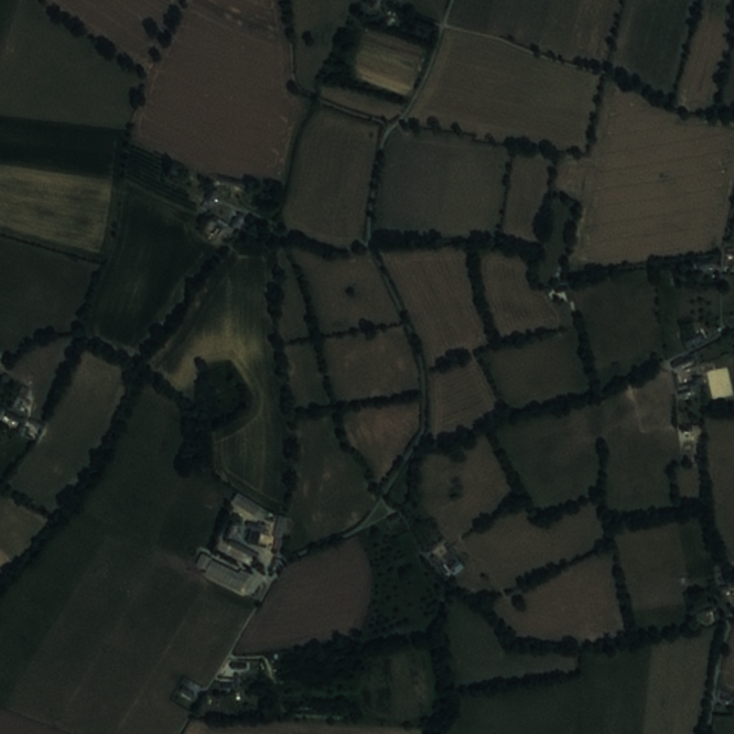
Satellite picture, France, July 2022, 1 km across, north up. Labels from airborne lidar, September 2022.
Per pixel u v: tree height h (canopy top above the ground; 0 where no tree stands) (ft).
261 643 0
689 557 0
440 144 0
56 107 0
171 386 40
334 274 0
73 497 74
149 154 22
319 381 0
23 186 0
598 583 0
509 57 0
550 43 0
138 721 0
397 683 0
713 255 31
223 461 0
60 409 0
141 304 0
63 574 0
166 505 0
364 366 0
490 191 0
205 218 32
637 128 0
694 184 0
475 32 0
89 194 0
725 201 0
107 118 0
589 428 0
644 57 0
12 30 0
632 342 0
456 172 0
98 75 0
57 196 0
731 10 47
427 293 0
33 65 0
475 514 0
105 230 0
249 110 0
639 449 0
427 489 0
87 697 0
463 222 0
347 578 0
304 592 0
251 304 0
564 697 0
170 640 0
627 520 67
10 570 63
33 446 35
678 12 0
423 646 64
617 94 0
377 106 0
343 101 0
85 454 0
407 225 0
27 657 0
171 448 0
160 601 0
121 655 0
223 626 0
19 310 0
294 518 0
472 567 0
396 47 0
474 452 0
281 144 0
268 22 0
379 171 50
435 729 67
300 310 0
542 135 0
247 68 0
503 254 45
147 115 0
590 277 65
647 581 0
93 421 0
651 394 0
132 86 0
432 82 0
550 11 0
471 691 43
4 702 0
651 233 0
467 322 0
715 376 0
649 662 0
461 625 0
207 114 0
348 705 25
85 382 0
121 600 0
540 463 0
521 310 0
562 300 20
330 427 0
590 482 0
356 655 44
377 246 65
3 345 0
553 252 0
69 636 0
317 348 23
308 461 0
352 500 0
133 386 71
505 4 0
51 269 0
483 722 0
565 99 0
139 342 0
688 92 0
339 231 0
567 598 0
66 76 0
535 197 0
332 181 0
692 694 0
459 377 0
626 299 0
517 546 0
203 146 0
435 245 68
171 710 0
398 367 0
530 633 0
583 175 0
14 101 0
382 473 0
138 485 0
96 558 0
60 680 0
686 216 0
